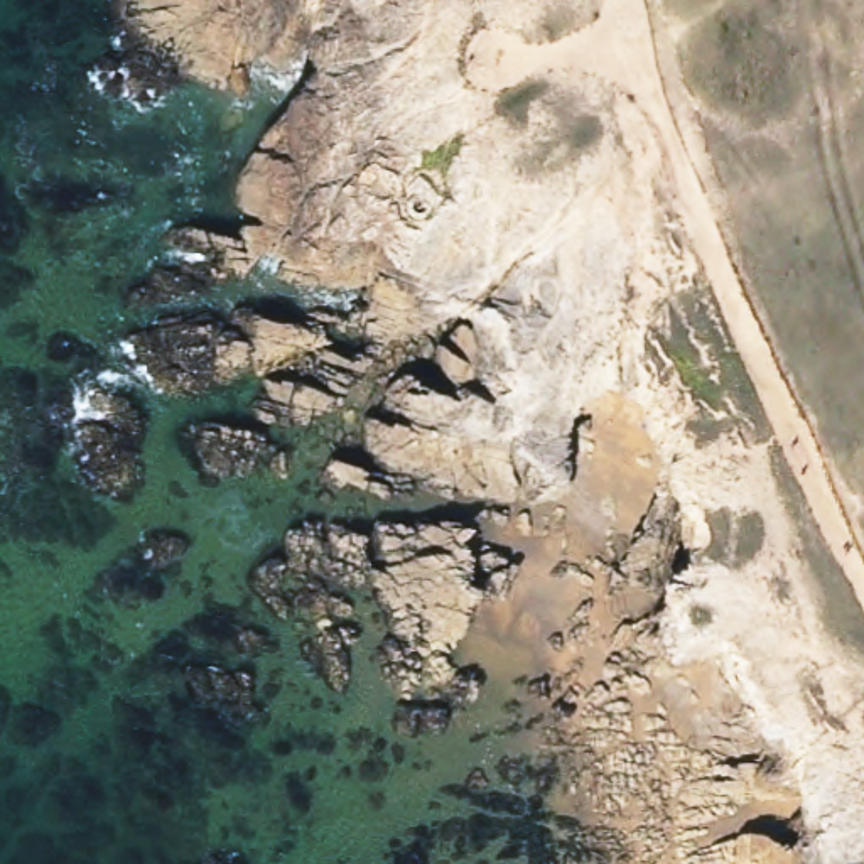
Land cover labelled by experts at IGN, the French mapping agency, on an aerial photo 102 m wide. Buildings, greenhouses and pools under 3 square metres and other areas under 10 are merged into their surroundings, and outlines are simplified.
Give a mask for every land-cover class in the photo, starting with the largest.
<instances>
[{"label":"bare soil","instance_id":"1","mask_svg":"<svg viewBox=\"0 0 864 864\"><path fill-rule=\"evenodd\" d=\"M604 0H118V30L111 34V51L108 57H101L98 71H88V84L95 91L122 95V101L132 111L155 115L159 108H165V91L186 84L189 78H199L203 84L219 91H243V81L253 78L280 88V105L287 108V115L263 135L257 155L250 159L240 179V206L230 216L199 213L196 230L172 226L165 233L172 263H155L149 270L152 280L125 294V307L132 311L165 304L159 317L162 324L142 331L135 341L115 344L101 375L91 368L78 375L74 402L47 408V419L57 429L71 432L64 452L57 456V469L71 483L88 489L91 500L115 516V527L91 550H84L98 567L95 581L84 587L81 597V608L88 614L84 628L101 631L135 662L152 648V641L165 638L182 621L203 614L206 608L230 604V611L236 614L240 645L246 651H260L257 675L250 678L243 672L226 675L189 668V685L203 699L236 702L243 716L257 722L250 736L253 749L270 746L273 739H284L294 729L334 736L331 753L294 749L270 766V776L263 783H230L203 800L209 813L206 840L216 847L219 830L226 827L230 851L223 857H246L250 864H864V608L857 601L851 577L834 560L824 530L807 503V493L783 456L780 435L766 419V408L756 395V385L746 371V361L716 297V287L705 273L702 246L692 236H685V219L678 216V209H665L655 216V236L668 246V253H675L672 267L648 270L638 263L624 267L621 273L624 304H635L638 297V277H648L655 284L658 300L648 314L645 351L624 365V344H618V378L611 392L594 398L581 415H574V422L560 408H540L530 419V432L516 435L513 442L503 432L510 425V408L500 402L510 395L503 378L506 361L500 348L486 338V331L476 327L479 314L496 311L510 324L513 351L540 354L547 365H560L564 344L581 338V317L570 321L560 311L550 314L540 300L516 297V260L489 284L479 273L486 267L483 246L462 240V230L452 233V243H442L439 233L425 243H405L398 236L402 226L419 230L446 203H452V162L462 152V145L496 149L510 138L520 152L513 162L516 176L540 179L577 165L597 138L614 149L624 145L618 105H631L638 98L631 88L614 84L604 74L587 71L581 64H564L554 71L547 68L537 81L503 88L493 78V68H483L469 51L486 27L513 34L523 44L560 41L564 34L597 24ZM665 7L689 30V37L678 44V68L685 88L705 98L692 115L712 165L705 176H699V189L705 192L709 209L716 213V230L726 260L753 314V324L759 327V338L766 341L770 358L797 405V415L817 435V449L837 459L840 476L864 500V0H665Z\"/></svg>","mask_w":864,"mask_h":864},{"label":"water","instance_id":"2","mask_svg":"<svg viewBox=\"0 0 864 864\"><path fill-rule=\"evenodd\" d=\"M118 30V0H0V864H250L246 857H223L230 851L226 827L219 830L216 847L206 840L209 813L203 800L230 783H263L270 776V766L294 749L331 753L334 736L294 729L284 739H273L270 746L253 749L250 736L257 722L243 716L236 702L203 699L189 685V668L226 675L243 672L250 678L257 675L260 651H246L240 645L236 614L230 611V604L206 608L203 614L182 621L165 638L152 641V648L135 662L101 631L84 628L88 614L81 608V597L84 587L95 581L98 567L84 550H91L115 527V516L91 500L88 489L71 483L57 469V456L64 452L71 432L57 429L47 419V408L74 402L78 375L91 368L101 375L115 344L135 341L142 331L162 324L159 317L165 304L132 311L125 307V294L152 280L149 270L155 263H172L165 233L172 226L196 230L199 213L230 216L240 206V179L250 159L257 155L263 135L287 115V108L280 105V88L253 78L243 81V91H219L203 84L199 78H189L186 84L165 91V108H159L155 115L132 111L122 101V95L95 91L88 84V71H98L101 57H108L111 51V34Z\"/></svg>","mask_w":864,"mask_h":864},{"label":"pervious surface","instance_id":"3","mask_svg":"<svg viewBox=\"0 0 864 864\"><path fill-rule=\"evenodd\" d=\"M689 37V30L665 7V0H604L597 24L564 34L560 41L523 44L513 34L486 27L469 51L483 68H493V78L503 88L537 81L547 68L554 71L564 64H581L587 71L604 74L614 84L631 88L638 98L631 105H618L624 145L614 149L597 138L577 165L540 179L516 176L513 162L520 152L510 138L496 149L462 145V152L452 162V203H446L419 230L402 226L398 236L405 243H425L439 233L442 243H452V233L462 230V240L483 246L486 267L479 273L489 284L516 260V297L540 300L550 314L560 311L570 321L581 317V338L564 344L560 365H547L540 354L513 351L510 324L496 311L479 314L476 327L486 331V338L500 348L506 361L503 378L510 395L500 402L510 408V425L503 432L513 442L516 435L530 432V419L540 408H560L574 422V415H581L594 398L611 392L618 378V344H624V365L645 351L648 314L658 300L655 284L648 277H638V297L635 304H624L621 273L624 267L638 263L648 270L672 267L675 253H668V246L655 236V216L665 209H678V216L685 219V236H692L702 246L705 273L716 287V297L746 361V371L756 385V395L766 408V419L780 435L783 456L807 493V503L824 530L834 560L851 577L857 601L864 608V500L840 476L837 459L817 449V435L797 415V405L770 358L766 341L759 338V327L753 324V314L726 260L716 230V213L709 209L705 192L699 189V176H705L712 165L692 115L705 98L685 88L678 68V44Z\"/></svg>","mask_w":864,"mask_h":864}]
</instances>
